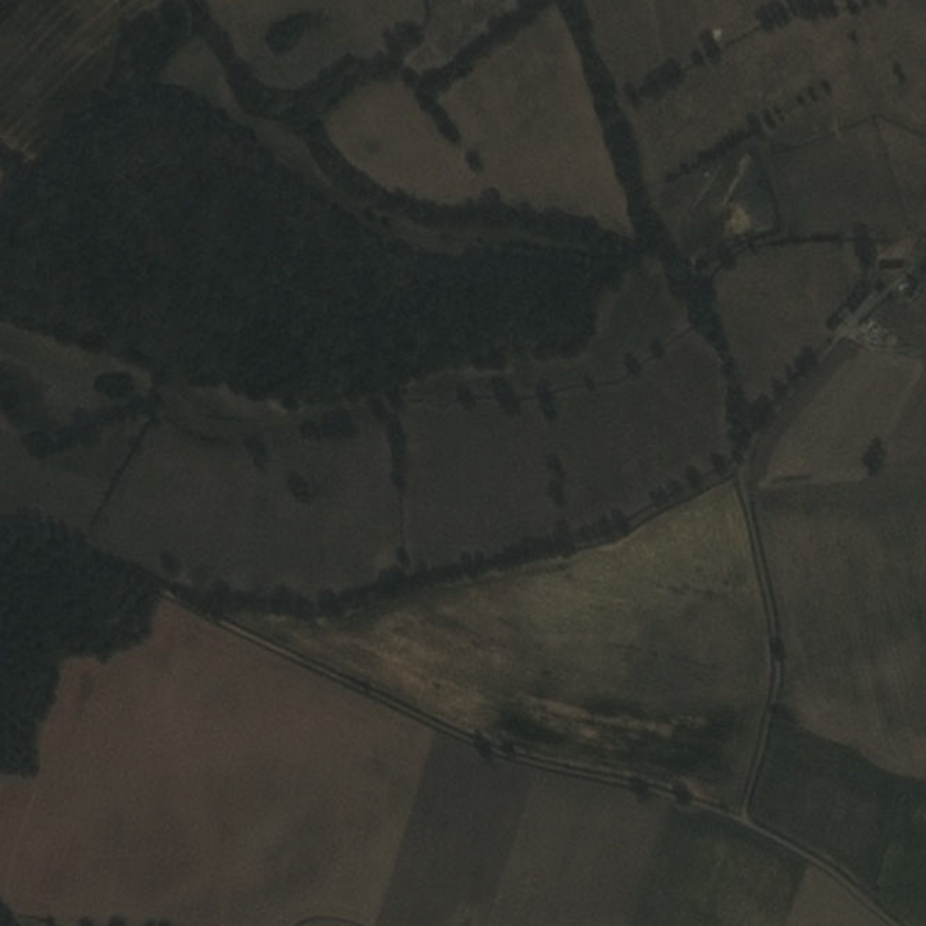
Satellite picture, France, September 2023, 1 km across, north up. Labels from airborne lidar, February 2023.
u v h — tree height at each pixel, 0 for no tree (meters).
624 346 0
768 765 0
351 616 0
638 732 0
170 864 0
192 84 0
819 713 0
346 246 18
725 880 0
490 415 0
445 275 25
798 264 0
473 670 0
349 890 0
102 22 0
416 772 0
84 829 0
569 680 0
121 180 17
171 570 19
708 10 0
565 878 0
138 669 0
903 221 0
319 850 0
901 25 0
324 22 0
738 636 0
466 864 0
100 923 0
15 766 14
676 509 0
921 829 0
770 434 0
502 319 20
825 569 0
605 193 0
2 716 24
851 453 0
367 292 17
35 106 0
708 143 0
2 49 0
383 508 0
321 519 0
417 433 0
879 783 0
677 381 0
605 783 0
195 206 17
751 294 0
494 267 22
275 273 17
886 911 0
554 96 0
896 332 0
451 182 0
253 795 0
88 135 22
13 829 0
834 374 0
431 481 0
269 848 0
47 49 0
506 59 0
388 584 19
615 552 0
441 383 0
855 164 0
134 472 0
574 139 0
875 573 0
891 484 0
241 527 0
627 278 0
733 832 0
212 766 0
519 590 0
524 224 19
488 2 0
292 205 20
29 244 18
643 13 0
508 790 0
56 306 18
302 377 20
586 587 0
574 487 0
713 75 0
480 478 0
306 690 0
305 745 0
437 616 0
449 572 10
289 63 0
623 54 0
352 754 0
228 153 20
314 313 16
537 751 0
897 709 0
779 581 0
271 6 0
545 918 0
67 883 0
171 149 19
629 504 0
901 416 0
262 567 0
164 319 16
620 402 0
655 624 0
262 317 21
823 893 0
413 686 0
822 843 0
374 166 0
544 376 0
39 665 22
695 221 0
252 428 0
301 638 0
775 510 0
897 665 0
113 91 9
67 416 0
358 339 18
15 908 0
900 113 0
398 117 0
